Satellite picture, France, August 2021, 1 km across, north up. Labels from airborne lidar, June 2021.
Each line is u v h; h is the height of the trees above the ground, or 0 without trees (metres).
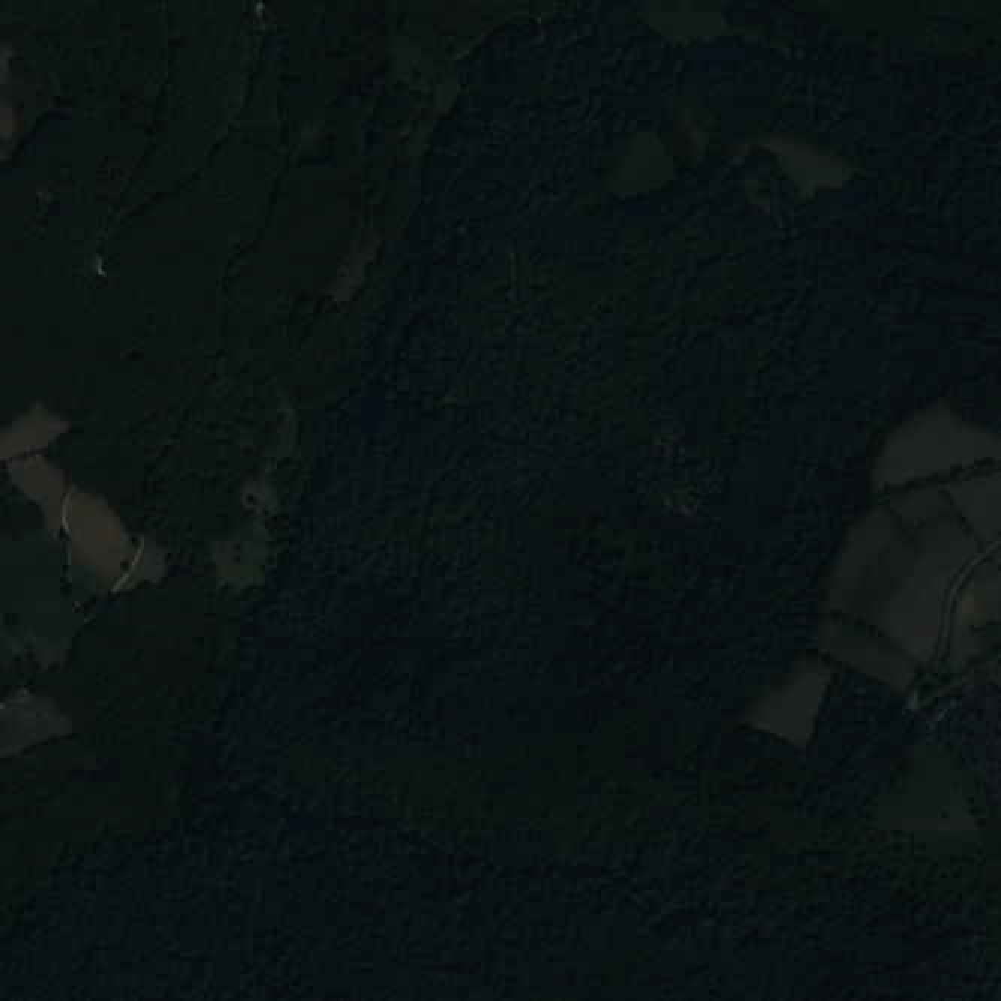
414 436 31
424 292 28
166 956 24
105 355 27
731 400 31
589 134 19
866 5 30
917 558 0
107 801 28
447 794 20
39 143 23
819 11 20
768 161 20
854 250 13
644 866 26
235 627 23
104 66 23
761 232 20
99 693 19
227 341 12
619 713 22
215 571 16
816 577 10
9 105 0
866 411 14
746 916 28
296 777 29
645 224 20
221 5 21
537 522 16
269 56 23
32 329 25
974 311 20
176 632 23
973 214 30
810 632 17
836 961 21
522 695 21
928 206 26
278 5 31
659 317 18
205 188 20
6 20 21
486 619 19
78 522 0
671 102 13
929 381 14
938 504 0
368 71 8
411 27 24
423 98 21
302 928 25
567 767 23
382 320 25
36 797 12
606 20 21
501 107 34
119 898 24
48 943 25
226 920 12
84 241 24
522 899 21
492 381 27
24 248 25
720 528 18
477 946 26
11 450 0
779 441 21
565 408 17
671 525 15
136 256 20
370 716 14
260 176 31
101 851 23
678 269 13
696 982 34
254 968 10
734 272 16
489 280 26
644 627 8
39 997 27
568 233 17
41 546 0
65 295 27
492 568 17
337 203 23
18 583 0
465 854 26
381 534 21
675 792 6
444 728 21
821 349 23
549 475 15
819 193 0
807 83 28
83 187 27
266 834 17
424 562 14
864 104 28
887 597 0
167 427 24
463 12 25
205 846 25
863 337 13
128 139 19
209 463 19
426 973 23
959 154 26
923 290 8
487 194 25
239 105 19
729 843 18
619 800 6
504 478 21
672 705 17
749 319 7
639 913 29
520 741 19
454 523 11
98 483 28
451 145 33
